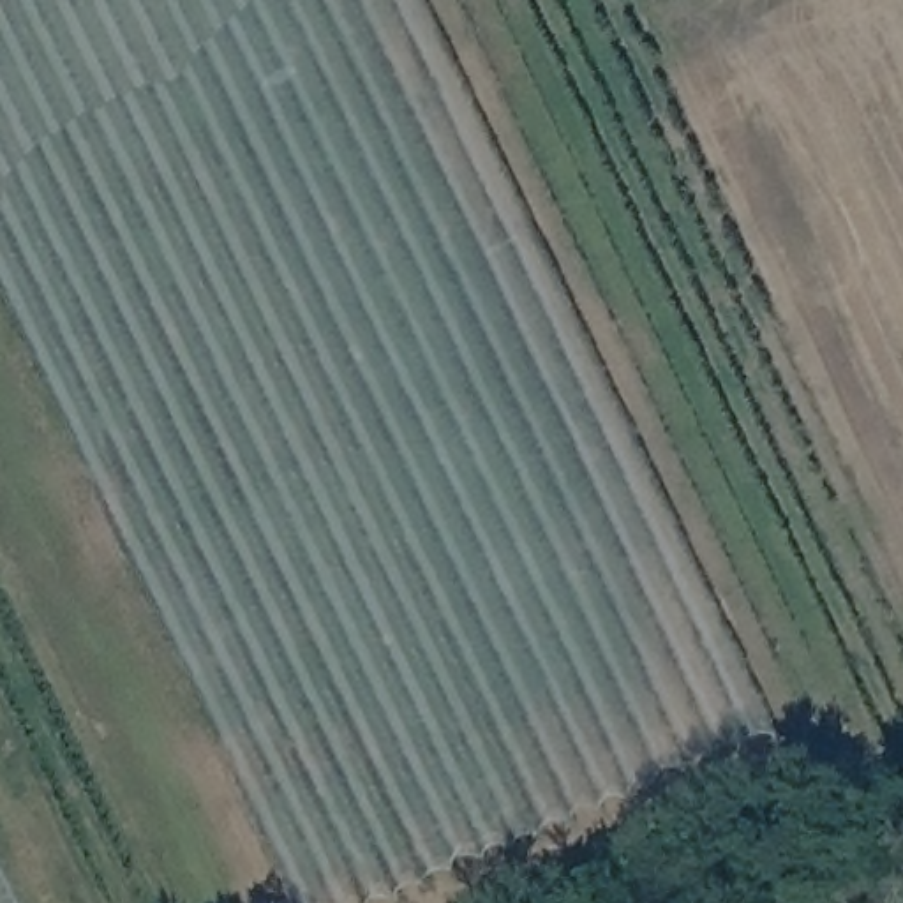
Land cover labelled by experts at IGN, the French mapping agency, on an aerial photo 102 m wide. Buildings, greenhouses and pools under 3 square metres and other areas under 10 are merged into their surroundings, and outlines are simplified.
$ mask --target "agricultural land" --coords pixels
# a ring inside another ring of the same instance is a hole
[[[71,801],[74,818],[63,822],[56,815],[49,787],[32,769],[25,737],[18,734],[18,720],[0,691],[0,903],[448,903],[462,885],[490,885],[497,878],[497,868],[508,864],[519,868],[526,878],[540,878],[547,868],[578,868],[586,861],[600,861],[610,850],[610,836],[617,836],[635,811],[646,808],[646,801],[674,787],[681,780],[681,769],[695,769],[698,758],[705,765],[723,762],[730,755],[751,762],[769,751],[801,744],[811,751],[815,762],[836,765],[847,780],[889,765],[903,776],[903,0],[642,0],[638,18],[660,39],[670,85],[688,113],[688,123],[702,141],[709,166],[716,169],[720,190],[741,226],[755,268],[772,293],[776,307],[758,321],[758,332],[836,487],[832,501],[822,494],[822,483],[815,480],[804,448],[790,430],[790,416],[783,413],[776,388],[762,392],[758,402],[776,430],[783,455],[790,459],[790,469],[815,511],[815,522],[822,526],[836,554],[847,586],[857,596],[861,614],[843,621],[840,631],[861,660],[861,674],[871,688],[878,713],[889,720],[885,727],[878,727],[868,716],[836,653],[836,642],[815,607],[815,596],[808,593],[808,582],[783,540],[783,529],[769,511],[758,480],[751,476],[730,434],[727,416],[720,413],[720,402],[698,367],[698,356],[635,236],[621,194],[596,155],[589,127],[561,81],[561,67],[550,46],[543,42],[533,21],[533,7],[526,0],[0,0],[0,589],[7,593],[28,635],[28,646],[116,822],[102,832],[85,790]]]

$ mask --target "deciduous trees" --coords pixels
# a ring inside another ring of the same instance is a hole
[[[730,755],[723,762],[705,765],[698,758],[695,769],[681,769],[681,780],[674,787],[646,801],[646,808],[635,811],[617,836],[610,836],[610,850],[600,861],[586,861],[578,868],[547,868],[540,878],[526,878],[519,868],[508,864],[497,868],[497,878],[490,885],[462,885],[448,903],[903,903],[903,776],[889,765],[847,780],[836,765],[815,762],[811,751],[801,744],[769,751],[751,762]]]
[[[74,818],[71,801],[85,790],[102,832],[116,822],[28,646],[28,635],[7,593],[0,589],[0,691],[18,720],[18,734],[25,737],[32,769],[49,787],[56,815],[63,822]]]
[[[790,430],[804,448],[815,480],[822,483],[822,494],[832,501],[836,487],[758,332],[758,321],[776,307],[772,293],[755,268],[741,226],[720,190],[716,169],[709,166],[702,141],[688,123],[688,113],[670,85],[660,39],[638,18],[642,0],[526,0],[533,7],[533,21],[543,42],[550,46],[561,67],[561,81],[589,127],[596,155],[621,194],[635,236],[698,356],[698,367],[720,402],[720,413],[727,416],[730,434],[751,476],[758,480],[769,511],[783,529],[783,540],[808,582],[808,593],[815,596],[815,607],[836,642],[836,653],[868,716],[878,727],[885,727],[889,720],[878,713],[871,688],[861,674],[861,660],[840,631],[843,621],[861,614],[857,596],[847,586],[836,554],[822,526],[815,522],[815,511],[790,469],[790,459],[783,455],[776,430],[758,402],[762,392],[776,388],[783,413],[790,416]]]

